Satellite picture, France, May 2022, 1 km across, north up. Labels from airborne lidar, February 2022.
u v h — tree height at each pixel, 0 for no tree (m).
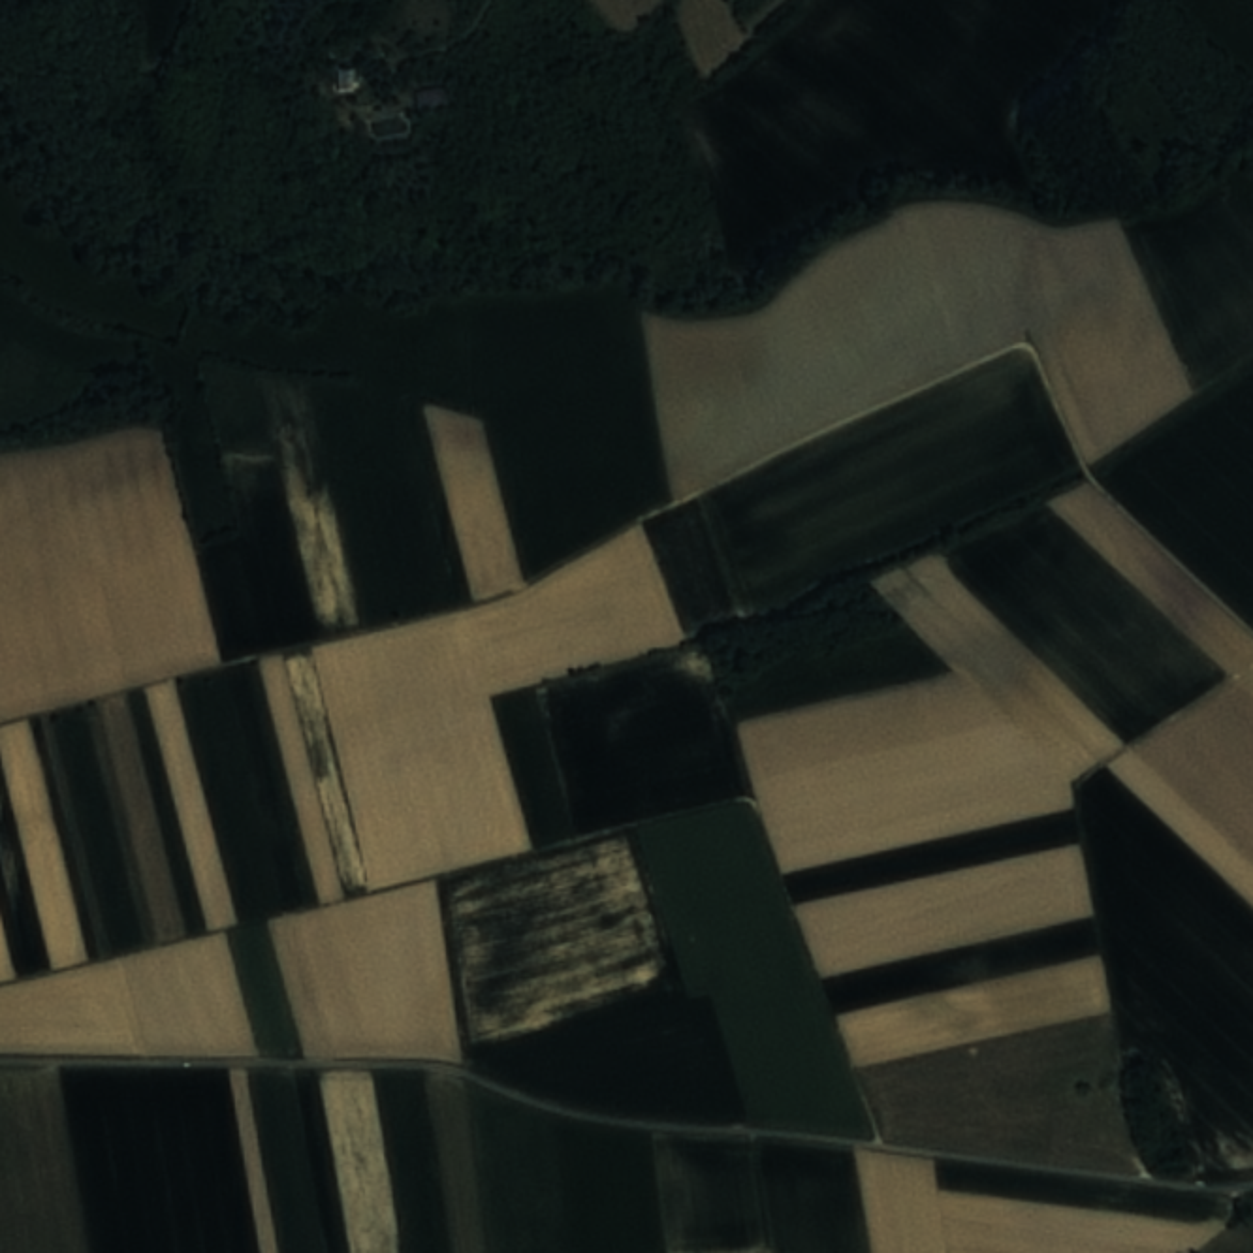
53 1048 0
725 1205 0
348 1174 0
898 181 18
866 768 0
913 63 0
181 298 7
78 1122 0
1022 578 0
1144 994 0
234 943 0
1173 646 0
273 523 0
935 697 0
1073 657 0
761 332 0
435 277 31
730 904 0
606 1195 0
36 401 0
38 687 0
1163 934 0
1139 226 0
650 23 6
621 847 0
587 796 0
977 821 0
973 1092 0
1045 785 0
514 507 0
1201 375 0
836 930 0
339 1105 0
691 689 0
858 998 0
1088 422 0
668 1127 0
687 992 0
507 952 0
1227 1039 0
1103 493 0
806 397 0
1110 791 0
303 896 0
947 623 0
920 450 0
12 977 0
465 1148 0
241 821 0
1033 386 0
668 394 0
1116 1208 0
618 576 0
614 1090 0
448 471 0
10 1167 0
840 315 0
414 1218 0
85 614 0
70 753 0
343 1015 0
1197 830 0
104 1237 0
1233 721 0
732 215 0
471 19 6
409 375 0
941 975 0
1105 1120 0
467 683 0
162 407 11
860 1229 0
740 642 16
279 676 0
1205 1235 0
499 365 0
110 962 0
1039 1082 0
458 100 9
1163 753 0
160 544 0
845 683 0
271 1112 0
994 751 0
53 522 0
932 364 0
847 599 13
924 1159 0
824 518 0
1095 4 0
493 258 7
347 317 0
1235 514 0
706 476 0
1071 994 0
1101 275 0
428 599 0
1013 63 0
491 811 0
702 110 0
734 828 0
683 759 0
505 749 0
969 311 0
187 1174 0
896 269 0
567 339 0
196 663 0
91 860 0
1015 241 0
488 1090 0
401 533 0
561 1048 0
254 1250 0
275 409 0
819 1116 0
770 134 0
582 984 0
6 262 0
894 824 0
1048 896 0
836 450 0
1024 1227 0
